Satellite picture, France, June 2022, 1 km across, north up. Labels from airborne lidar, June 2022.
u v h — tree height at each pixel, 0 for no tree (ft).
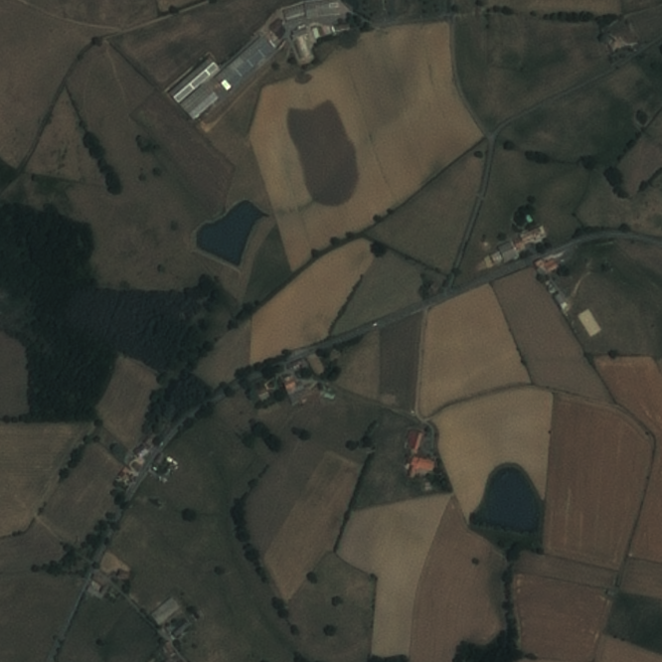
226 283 0
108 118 0
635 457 0
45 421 54
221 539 0
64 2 0
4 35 0
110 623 0
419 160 0
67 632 19
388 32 0
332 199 0
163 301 61
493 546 0
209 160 0
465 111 0
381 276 0
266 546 0
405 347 0
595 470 0
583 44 0
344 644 0
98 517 0
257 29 0
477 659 24
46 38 0
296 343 0
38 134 0
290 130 0
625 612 0
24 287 31
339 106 0
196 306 59
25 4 0
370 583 0
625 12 0
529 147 0
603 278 0
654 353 0
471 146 0
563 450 0
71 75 0
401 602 0
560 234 0
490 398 0
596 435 0
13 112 0
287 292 0
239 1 0
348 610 0
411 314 0
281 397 45
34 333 34
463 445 0
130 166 0
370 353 0
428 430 26
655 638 0
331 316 0
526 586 0
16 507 0
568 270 30
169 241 0
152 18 0
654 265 0
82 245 70
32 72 0
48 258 65
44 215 54
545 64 0
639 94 0
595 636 0
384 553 0
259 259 0
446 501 0
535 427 0
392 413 0
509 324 0
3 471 0
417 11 0
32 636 0
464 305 0
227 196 0
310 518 0
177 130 0
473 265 0
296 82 0
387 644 0
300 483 0
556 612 0
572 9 0
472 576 0
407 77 0
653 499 0
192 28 0
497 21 0
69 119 0
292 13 0
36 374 52
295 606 0
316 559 0
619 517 0
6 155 0
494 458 0
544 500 0
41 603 0
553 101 0
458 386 0
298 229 0
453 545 0
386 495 0
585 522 0
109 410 0
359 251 0
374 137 0
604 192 0
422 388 0
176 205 0
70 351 49
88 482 0
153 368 65
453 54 0
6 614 0
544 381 0
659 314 0
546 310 0
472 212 0
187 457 0
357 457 0
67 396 53
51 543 0
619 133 0
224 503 0
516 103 0
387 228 0
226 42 0
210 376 0
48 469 0
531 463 0
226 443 0
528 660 27
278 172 0
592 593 0
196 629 0
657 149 0
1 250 21
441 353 0
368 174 0
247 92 0
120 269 0
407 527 0
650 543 0
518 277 0
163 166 0
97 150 59
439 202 0
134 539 0
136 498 0
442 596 0
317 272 0
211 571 0
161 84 0
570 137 0
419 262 21
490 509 0
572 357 0
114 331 64
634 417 0
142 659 0
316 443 0
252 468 0
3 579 0
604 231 19
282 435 0
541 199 0
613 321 0
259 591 0
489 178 0
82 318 68
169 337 98
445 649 0
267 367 45
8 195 0
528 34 0
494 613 0
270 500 0
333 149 0
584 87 0
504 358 0
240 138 0
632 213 0
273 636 0
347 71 0
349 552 0
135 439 0
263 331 0
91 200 0
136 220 0
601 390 0
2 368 0
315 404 0
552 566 0
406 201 0
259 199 0
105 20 0
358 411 0
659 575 0
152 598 0
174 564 0
